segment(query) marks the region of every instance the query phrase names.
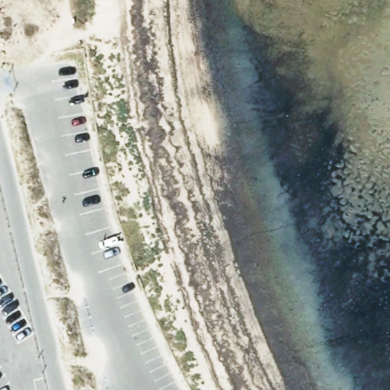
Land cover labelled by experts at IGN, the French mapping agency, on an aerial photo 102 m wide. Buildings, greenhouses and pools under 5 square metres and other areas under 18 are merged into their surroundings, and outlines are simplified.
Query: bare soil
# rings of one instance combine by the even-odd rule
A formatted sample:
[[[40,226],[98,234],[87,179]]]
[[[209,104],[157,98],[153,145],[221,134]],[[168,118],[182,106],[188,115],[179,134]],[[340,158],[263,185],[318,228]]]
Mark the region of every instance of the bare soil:
[[[171,163],[166,163],[165,158],[160,158],[158,163],[152,161],[148,128],[139,126],[137,119],[129,119],[128,123],[133,126],[136,134],[140,155],[134,158],[131,152],[126,155],[117,152],[114,161],[117,171],[125,174],[123,183],[116,181],[110,184],[113,209],[117,212],[123,207],[131,207],[134,212],[140,213],[142,218],[137,219],[137,222],[145,239],[145,248],[158,247],[160,251],[160,254],[155,254],[155,261],[152,264],[146,265],[145,268],[136,268],[137,280],[142,285],[143,294],[151,306],[154,320],[160,326],[172,358],[180,367],[190,390],[390,390],[390,0],[143,0],[143,26],[148,30],[149,38],[146,56],[149,61],[152,52],[157,52],[158,62],[157,69],[149,73],[149,81],[154,85],[155,93],[163,93],[165,97],[163,101],[158,102],[158,110],[161,114],[160,126],[165,129],[163,146],[171,155]]]
[[[128,134],[120,131],[120,120],[117,116],[111,117],[113,123],[108,129],[113,131],[120,145],[125,145],[128,142]]]

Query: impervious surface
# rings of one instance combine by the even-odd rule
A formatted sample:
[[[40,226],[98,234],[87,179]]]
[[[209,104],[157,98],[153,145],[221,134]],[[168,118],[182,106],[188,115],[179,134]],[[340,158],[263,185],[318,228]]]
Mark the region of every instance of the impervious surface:
[[[97,116],[105,116],[107,113],[107,108],[102,107],[104,99],[96,101],[93,97],[87,96],[88,88],[96,85],[96,81],[93,78],[94,59],[90,56],[90,49],[93,47],[85,44],[84,40],[79,40],[75,46],[66,47],[64,55],[58,56],[62,69],[55,64],[23,67],[11,73],[9,67],[3,66],[0,69],[0,99],[5,102],[14,101],[15,107],[23,111],[44,195],[49,200],[50,216],[55,222],[55,232],[58,233],[62,264],[66,267],[70,283],[70,289],[59,288],[59,285],[53,282],[55,274],[47,267],[46,256],[38,253],[35,248],[38,236],[44,232],[40,224],[30,225],[26,230],[11,158],[0,148],[0,390],[75,390],[72,366],[81,366],[93,373],[96,390],[190,390],[180,367],[172,358],[160,326],[154,320],[151,306],[143,294],[142,285],[137,280],[136,268],[129,256],[125,232],[117,222],[117,212],[113,209],[110,184],[116,181],[123,183],[125,174],[117,171],[114,161],[105,163],[102,160],[101,145],[97,139],[97,126],[104,123],[104,119],[97,119]],[[73,355],[75,350],[70,344],[67,328],[61,321],[61,309],[56,305],[56,297],[69,297],[75,302],[78,308],[79,334],[84,338],[87,356]]]

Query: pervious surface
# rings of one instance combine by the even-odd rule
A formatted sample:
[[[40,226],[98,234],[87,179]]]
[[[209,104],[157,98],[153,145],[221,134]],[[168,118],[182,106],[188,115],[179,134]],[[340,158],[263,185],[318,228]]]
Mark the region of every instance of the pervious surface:
[[[62,264],[58,233],[55,232],[55,222],[50,216],[49,200],[44,195],[23,111],[15,107],[14,101],[5,102],[0,99],[0,148],[11,158],[26,230],[30,225],[40,224],[44,232],[38,236],[35,248],[38,253],[46,256],[47,267],[55,274],[53,282],[59,285],[59,288],[70,289],[70,283],[66,267]]]
[[[72,366],[75,390],[96,390],[93,373],[81,366]]]
[[[70,344],[75,350],[73,355],[87,356],[84,338],[79,334],[78,308],[75,302],[69,297],[56,297],[56,305],[61,309],[61,321],[67,328]]]
[[[133,50],[131,0],[96,0],[93,18],[85,23],[82,29],[76,29],[70,0],[0,0],[0,69],[3,66],[9,67],[11,73],[23,67],[55,64],[62,69],[58,56],[64,55],[66,47],[75,46],[79,40],[84,40],[85,44],[93,47],[90,49],[90,56],[94,59],[93,78],[96,81],[96,85],[88,88],[87,96],[93,97],[96,101],[104,99],[102,107],[107,108],[107,113],[111,113],[111,117],[117,116],[117,101],[126,101],[129,104],[129,119],[137,119],[139,126],[148,128],[148,122],[143,120],[145,105],[140,101],[140,88],[137,84],[137,70],[143,64],[137,61]]]

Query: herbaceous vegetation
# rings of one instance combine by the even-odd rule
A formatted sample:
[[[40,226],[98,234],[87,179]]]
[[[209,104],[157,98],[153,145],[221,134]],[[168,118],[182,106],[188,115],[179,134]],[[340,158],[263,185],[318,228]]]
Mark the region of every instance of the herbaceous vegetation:
[[[140,155],[136,134],[133,126],[128,123],[129,119],[129,104],[126,101],[117,101],[117,116],[120,120],[120,131],[128,134],[128,142],[125,145],[120,145],[113,131],[108,129],[113,123],[111,117],[111,113],[107,113],[105,116],[97,116],[97,119],[104,119],[104,123],[97,126],[97,139],[101,145],[102,160],[105,163],[114,161],[117,152],[126,155],[131,152],[134,158]]]
[[[155,93],[154,85],[149,81],[149,73],[157,69],[158,62],[157,52],[152,52],[149,61],[146,56],[149,38],[148,30],[143,26],[143,0],[131,0],[133,50],[137,61],[143,64],[137,70],[137,84],[140,88],[140,101],[145,105],[143,120],[148,122],[148,128],[152,161],[158,163],[160,158],[165,158],[166,163],[171,163],[171,155],[163,146],[165,129],[160,126],[161,114],[158,110],[158,102],[163,101],[165,97],[163,93]]]
[[[96,0],[70,0],[76,29],[82,29],[85,23],[93,18]]]
[[[142,218],[140,213],[134,212],[131,207],[123,207],[117,212],[117,222],[125,232],[129,256],[136,268],[145,268],[146,265],[152,264],[155,261],[155,254],[160,254],[160,251],[158,247],[145,248],[145,239],[137,222],[137,219]]]

